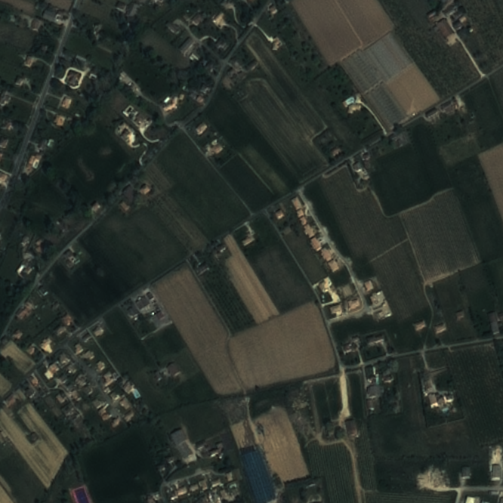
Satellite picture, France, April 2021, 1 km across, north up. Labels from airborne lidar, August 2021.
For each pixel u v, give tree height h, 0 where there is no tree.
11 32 0
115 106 0
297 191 0
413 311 0
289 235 0
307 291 0
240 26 7
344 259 0
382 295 0
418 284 0
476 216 0
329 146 9
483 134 0
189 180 0
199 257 9
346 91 6
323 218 0
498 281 0
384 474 0
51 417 0
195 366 0
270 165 0
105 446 0
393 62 0
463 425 0
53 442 0
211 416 0
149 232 0
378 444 0
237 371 0
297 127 0
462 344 0
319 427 0
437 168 0
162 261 0
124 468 0
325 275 0
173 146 0
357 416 0
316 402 0
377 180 0
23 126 12
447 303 0
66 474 21
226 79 0
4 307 8
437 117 7
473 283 0
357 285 0
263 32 0
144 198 16
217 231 0
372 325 0
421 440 0
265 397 0
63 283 0
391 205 0
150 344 0
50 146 0
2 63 0
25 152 0
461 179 0
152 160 8
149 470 0
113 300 0
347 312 0
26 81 0
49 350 0
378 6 0
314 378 0
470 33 11
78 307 0
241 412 0
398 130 14
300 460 0
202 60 8
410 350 0
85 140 0
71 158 0
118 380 8
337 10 0
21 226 10
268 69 0
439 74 5
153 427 8
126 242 0
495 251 0
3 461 0
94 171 0
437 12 13
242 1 12
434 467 0
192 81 13
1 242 7
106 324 0
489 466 0
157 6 11
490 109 0
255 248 0
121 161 0
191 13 0
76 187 0
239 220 0
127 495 0
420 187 0
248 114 0
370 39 0
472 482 0
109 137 0
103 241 0
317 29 0
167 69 12
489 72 0
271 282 0
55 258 23
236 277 0
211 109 0
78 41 0
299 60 12
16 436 0
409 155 0
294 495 0
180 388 0
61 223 11
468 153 0
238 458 0
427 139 0
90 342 0
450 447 0
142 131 0
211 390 0
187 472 0
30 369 0
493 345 6
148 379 0
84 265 0
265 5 0
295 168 0
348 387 0
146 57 17
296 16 6
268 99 0
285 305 0
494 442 0
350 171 12
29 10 0
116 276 0
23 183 16
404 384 0
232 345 0
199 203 0
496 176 0
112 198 15
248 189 0
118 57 14
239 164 0
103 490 0
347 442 0
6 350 0
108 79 24
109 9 0
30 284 16
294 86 0
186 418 0
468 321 0
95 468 0
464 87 0
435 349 0
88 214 25
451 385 9
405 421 0
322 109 0
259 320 0
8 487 0
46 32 9
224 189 0
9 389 0
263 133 0
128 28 14
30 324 0
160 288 0
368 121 8
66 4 0
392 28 0
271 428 0
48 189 0
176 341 0
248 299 0
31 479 0
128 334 0
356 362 7
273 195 0
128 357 0
